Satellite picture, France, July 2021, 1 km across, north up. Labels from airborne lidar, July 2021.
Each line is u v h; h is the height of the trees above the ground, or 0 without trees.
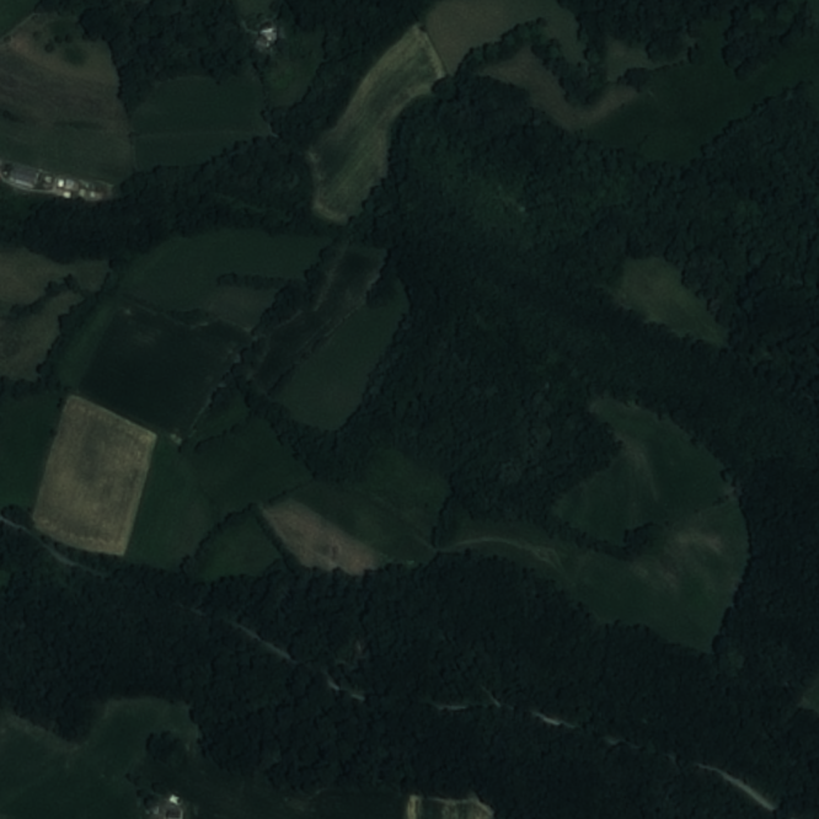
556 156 25
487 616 25
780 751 23
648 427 0
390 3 24
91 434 0
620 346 11
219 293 0
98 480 0
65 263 15
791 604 26
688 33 20
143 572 19
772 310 33
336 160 0
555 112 0
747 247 18
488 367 19
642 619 0
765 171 17
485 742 21
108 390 0
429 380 11
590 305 17
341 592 31
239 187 11
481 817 0
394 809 0
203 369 0
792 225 21
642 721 25
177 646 18
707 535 0
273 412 17
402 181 23
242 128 0
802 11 11
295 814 0
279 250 0
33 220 15
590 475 17
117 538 0
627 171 19
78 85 0
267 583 16
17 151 0
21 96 0
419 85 0
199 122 0
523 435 6
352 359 0
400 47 0
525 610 22
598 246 23
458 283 13
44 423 0
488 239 9
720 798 19
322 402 0
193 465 0
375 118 0
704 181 23
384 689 29
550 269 9
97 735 0
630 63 0
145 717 0
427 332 25
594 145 21
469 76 17
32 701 22
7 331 0
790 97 20
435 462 10
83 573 16
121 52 19
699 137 0
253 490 0
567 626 22
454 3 0
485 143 22
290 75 0
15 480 0
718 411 11
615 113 0
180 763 7
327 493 0
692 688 24
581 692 21
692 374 13
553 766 27
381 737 31
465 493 21
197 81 0
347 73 22
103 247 25
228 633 26
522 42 15
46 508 0
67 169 0
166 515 0
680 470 0
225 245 0
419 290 22
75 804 0
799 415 11
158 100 0
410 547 0
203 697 20
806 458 13
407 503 0
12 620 21
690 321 0
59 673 24
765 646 17
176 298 0
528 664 28
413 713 29
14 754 0
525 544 0
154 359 0
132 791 0
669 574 0
